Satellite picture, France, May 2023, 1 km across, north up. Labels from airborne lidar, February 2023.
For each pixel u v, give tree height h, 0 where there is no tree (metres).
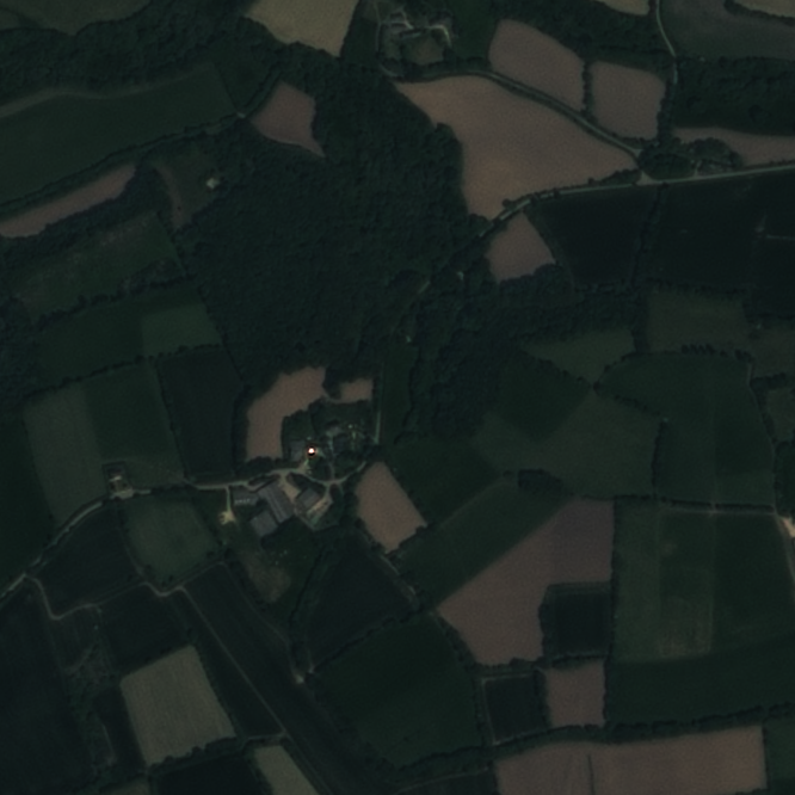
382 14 0
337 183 17
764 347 0
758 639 0
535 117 0
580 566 0
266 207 14
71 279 0
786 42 0
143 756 0
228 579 0
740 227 0
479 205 0
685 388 0
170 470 0
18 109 0
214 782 0
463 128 0
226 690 0
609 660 10
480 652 0
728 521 0
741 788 0
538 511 0
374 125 7
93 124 0
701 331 0
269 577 0
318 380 0
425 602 13
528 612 0
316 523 0
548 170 0
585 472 0
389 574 0
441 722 0
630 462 0
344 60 8
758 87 12
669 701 0
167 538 0
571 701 0
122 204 15
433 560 0
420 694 0
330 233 19
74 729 0
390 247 8
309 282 18
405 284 22
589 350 0
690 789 0
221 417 0
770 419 7
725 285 0
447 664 0
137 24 9
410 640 0
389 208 12
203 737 0
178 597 0
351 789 0
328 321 23
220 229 16
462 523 0
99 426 0
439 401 24
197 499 6
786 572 0
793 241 0
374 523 0
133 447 0
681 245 0
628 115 0
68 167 0
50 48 10
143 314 0
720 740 0
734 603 0
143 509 0
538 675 11
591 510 0
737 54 0
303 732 0
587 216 0
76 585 0
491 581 0
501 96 0
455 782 0
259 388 21
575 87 0
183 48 11
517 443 0
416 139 10
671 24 0
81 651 0
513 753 9
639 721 0
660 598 0
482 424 13
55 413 0
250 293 16
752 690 0
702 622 0
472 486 0
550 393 0
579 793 0
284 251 14
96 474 0
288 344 24
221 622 0
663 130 14
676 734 13
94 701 0
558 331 16
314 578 12
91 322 0
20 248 14
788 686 0
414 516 0
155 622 0
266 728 0
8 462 0
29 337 15
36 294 0
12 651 0
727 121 0
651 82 0
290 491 0
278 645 0
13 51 6
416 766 10
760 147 0
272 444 0
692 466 0
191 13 7
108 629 0
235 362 14
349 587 0
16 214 6
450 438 12
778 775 0
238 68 0
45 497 0
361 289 22
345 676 0
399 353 0
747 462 0
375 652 0
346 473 6
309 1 0
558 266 6
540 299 24
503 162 0
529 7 17
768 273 0
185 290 12
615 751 0
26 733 0
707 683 0
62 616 0
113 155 8
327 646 0
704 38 0
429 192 9
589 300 15
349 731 11
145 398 0
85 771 0
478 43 0
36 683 0
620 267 0
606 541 0
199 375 0
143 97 0
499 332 19
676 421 0
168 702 0
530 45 0
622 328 11
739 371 0
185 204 0
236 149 17
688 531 0
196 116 0
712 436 0
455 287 9
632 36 9
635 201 0
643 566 0
